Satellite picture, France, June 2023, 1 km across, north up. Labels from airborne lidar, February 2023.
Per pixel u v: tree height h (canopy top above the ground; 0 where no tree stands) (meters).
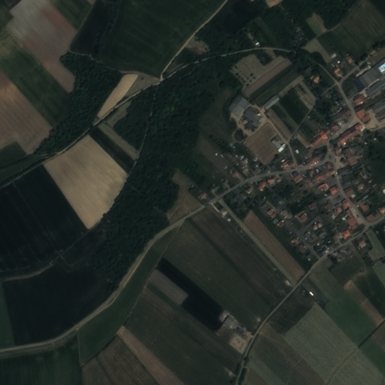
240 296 0
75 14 0
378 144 0
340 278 0
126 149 0
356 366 0
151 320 0
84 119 13
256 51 10
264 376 0
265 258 0
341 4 9
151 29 0
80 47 0
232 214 0
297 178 0
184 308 0
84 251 0
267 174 0
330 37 0
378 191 0
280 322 0
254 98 0
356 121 0
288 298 0
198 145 0
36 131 0
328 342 0
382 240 0
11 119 0
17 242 0
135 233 8
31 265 0
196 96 16
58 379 0
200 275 0
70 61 10
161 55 0
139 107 6
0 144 0
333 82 0
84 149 0
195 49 0
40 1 0
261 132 0
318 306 0
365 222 0
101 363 0
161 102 7
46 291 0
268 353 0
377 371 0
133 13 0
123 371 0
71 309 0
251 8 0
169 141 13
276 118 0
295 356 0
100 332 0
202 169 0
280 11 8
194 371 0
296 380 0
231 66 10
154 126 14
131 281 0
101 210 0
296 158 0
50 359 0
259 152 0
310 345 0
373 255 0
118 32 0
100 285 0
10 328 0
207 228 0
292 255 0
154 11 0
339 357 0
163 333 0
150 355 0
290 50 8
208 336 0
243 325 0
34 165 7
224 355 0
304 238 0
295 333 0
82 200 0
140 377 0
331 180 0
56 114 0
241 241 0
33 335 0
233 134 0
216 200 0
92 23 0
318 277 0
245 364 0
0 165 0
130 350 0
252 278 0
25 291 0
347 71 0
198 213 0
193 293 0
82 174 0
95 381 0
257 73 0
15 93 0
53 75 0
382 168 0
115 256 8
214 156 0
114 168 0
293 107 0
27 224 0
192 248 0
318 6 11
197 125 13
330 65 0
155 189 13
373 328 0
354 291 0
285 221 0
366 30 0
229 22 0
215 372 0
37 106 0
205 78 12
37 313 0
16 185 0
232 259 0
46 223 0
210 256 0
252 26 12
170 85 7
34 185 0
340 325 0
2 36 0
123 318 0
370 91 0
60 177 0
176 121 19
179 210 0
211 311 0
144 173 18
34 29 0
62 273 0
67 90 0
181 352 0
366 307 0
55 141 8
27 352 0
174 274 0
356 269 0
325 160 0
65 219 0
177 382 0
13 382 0
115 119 0
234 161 0
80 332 0
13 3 0
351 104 0
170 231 0
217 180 0
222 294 0
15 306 0
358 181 0
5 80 0
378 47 16
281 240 0
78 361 0
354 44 0
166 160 16
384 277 0
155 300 0
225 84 18
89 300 0
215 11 0
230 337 0
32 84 0
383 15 0
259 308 0
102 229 0
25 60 0
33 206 0
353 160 0
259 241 0
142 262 0
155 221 14
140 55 0
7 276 0
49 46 0
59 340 0
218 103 0
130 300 0
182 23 0
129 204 13
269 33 0
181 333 0
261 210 0
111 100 0
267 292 0
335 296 0
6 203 0
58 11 0
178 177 0
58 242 0
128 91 0
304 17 13
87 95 6
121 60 0
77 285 0
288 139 0
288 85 0
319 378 0
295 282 0
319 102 14
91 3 0
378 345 0
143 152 6
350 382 0
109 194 0
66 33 0
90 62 11
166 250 0
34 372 0
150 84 0
